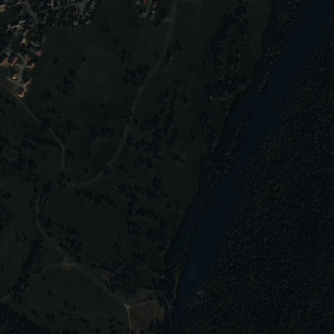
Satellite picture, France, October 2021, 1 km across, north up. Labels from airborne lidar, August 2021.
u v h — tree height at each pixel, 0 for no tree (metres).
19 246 0
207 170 22
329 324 16
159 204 0
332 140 16
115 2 0
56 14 0
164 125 0
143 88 0
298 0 31
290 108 12
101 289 0
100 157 0
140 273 0
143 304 0
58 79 0
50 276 0
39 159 0
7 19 0
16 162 0
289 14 22
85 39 0
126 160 0
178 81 0
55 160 0
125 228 0
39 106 0
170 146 18
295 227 28
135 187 0
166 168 0
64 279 0
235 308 15
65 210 0
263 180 13
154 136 15
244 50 0
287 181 24
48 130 12
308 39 24
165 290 19
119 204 0
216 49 10
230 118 0
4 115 8
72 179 0
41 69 0
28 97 0
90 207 0
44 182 0
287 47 13
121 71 0
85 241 0
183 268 13
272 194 18
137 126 15
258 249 26
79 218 0
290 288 24
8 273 0
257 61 0
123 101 0
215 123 0
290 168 19
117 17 0
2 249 0
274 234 21
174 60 0
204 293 10
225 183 16
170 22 0
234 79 0
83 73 0
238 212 13
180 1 0
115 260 0
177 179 0
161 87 0
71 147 0
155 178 0
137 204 17
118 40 0
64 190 15
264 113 27
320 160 18
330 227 19
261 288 17
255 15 0
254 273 20
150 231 0
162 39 0
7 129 0
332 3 27
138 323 0
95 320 0
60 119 7
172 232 0
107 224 0
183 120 0
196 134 0
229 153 26
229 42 0
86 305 0
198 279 10
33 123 0
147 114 0
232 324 17
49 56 0
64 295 0
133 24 0
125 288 11
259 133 19
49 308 0
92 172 0
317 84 21
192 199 0
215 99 11
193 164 0
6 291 0
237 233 24
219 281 21
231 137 29
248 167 16
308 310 19
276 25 26
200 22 0
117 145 0
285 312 13
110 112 0
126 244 0
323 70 11
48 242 0
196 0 0
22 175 12
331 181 25
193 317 15
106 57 0
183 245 27
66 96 14
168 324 6
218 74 12
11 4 0
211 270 11
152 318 0
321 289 16
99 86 0
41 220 13
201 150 0
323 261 20
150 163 0
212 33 0
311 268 21
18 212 0
